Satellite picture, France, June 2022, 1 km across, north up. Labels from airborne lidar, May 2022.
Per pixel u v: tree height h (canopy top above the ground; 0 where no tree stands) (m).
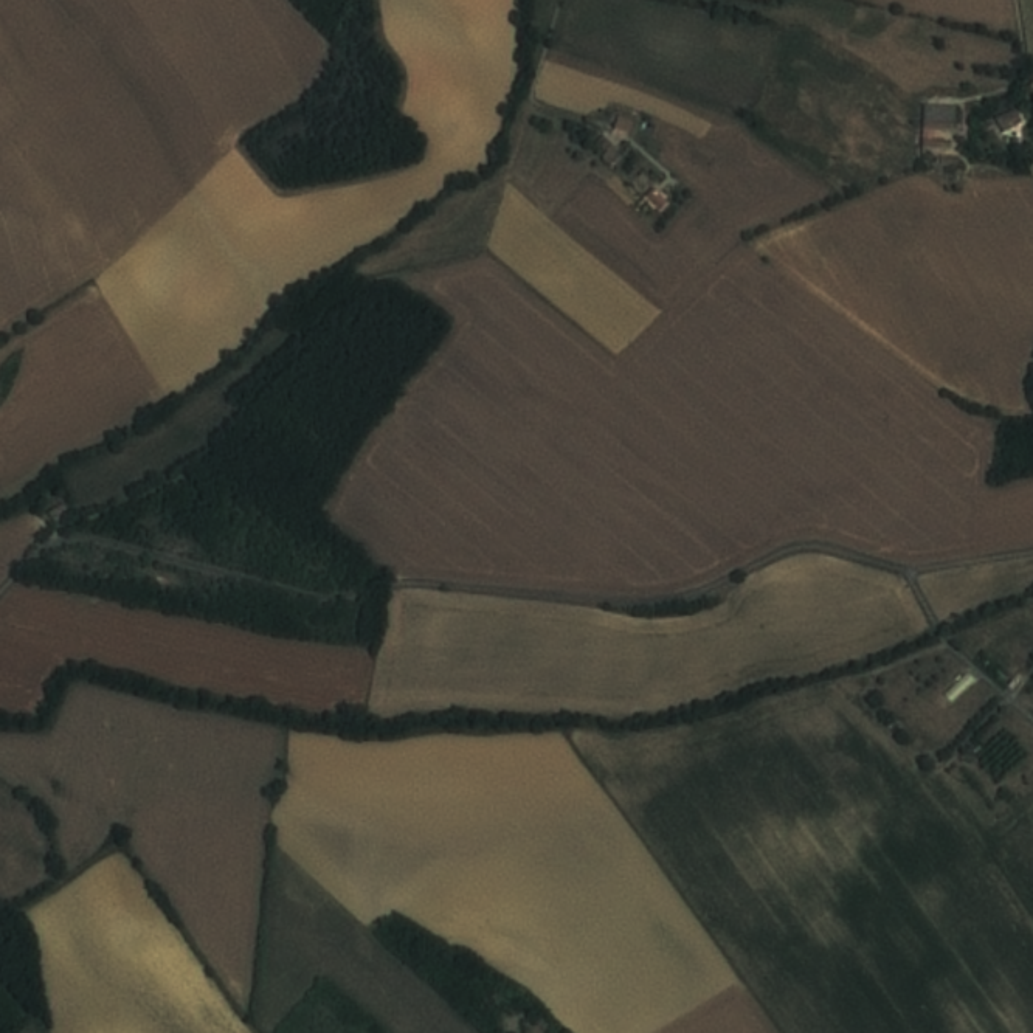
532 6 12
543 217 0
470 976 7
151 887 13
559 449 0
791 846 0
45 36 0
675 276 0
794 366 0
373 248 11
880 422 0
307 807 0
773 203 0
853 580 0
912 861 0
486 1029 6
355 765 0
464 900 0
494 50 0
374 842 0
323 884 0
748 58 0
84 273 0
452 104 0
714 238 0
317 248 0
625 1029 0
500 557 0
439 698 0
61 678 15
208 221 0
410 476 0
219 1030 0
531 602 0
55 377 0
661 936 0
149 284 0
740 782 0
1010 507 0
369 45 12
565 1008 0
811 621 0
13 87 0
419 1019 0
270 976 0
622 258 0
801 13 0
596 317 0
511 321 0
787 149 0
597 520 0
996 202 0
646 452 0
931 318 0
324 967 0
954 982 0
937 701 0
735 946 0
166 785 0
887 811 0
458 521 0
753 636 0
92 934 0
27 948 15
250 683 0
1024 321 0
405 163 14
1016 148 17
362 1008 6
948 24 15
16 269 0
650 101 0
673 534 0
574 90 0
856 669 16
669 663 0
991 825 0
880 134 0
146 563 9
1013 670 0
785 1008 0
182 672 0
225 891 0
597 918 0
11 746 0
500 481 0
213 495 16
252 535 7
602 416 0
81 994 0
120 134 0
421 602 0
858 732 0
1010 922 0
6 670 0
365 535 0
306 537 8
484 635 0
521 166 0
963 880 0
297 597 11
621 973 0
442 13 0
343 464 15
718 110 0
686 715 19
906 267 0
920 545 0
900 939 0
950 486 0
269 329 25
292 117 14
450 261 0
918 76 0
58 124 0
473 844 0
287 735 0
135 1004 0
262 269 0
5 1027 7
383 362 20
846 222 0
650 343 0
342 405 18
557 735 0
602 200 0
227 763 0
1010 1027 0
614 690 0
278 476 19
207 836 0
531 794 0
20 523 0
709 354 0
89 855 0
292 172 11
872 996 0
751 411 0
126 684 14
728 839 0
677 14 0
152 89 0
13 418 0
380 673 0
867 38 0
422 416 0
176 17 0
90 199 0
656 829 0
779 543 0
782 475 0
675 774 0
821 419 0
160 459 0
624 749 0
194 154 0
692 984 0
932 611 0
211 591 11
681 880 0
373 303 17
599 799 0
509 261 0
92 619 0
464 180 19
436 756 0
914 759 0
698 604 10
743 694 11
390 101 14
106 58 0
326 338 19
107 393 0
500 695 0
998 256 0
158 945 0
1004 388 0
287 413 15
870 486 0
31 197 0
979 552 0
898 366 0
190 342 0
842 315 0
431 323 18
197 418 0
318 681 0
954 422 0
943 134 0
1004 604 18
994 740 7
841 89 0
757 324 0
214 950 0
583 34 0
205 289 0
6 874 0
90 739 0
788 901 0
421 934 8
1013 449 7
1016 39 9
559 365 0
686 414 0
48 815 14
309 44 0
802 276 0
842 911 0
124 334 0
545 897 0
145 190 0
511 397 0
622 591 0
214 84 0
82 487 0
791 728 0
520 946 0
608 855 0
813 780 0
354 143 15
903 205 0
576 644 0
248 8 0
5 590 0
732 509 0
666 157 0
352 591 11
